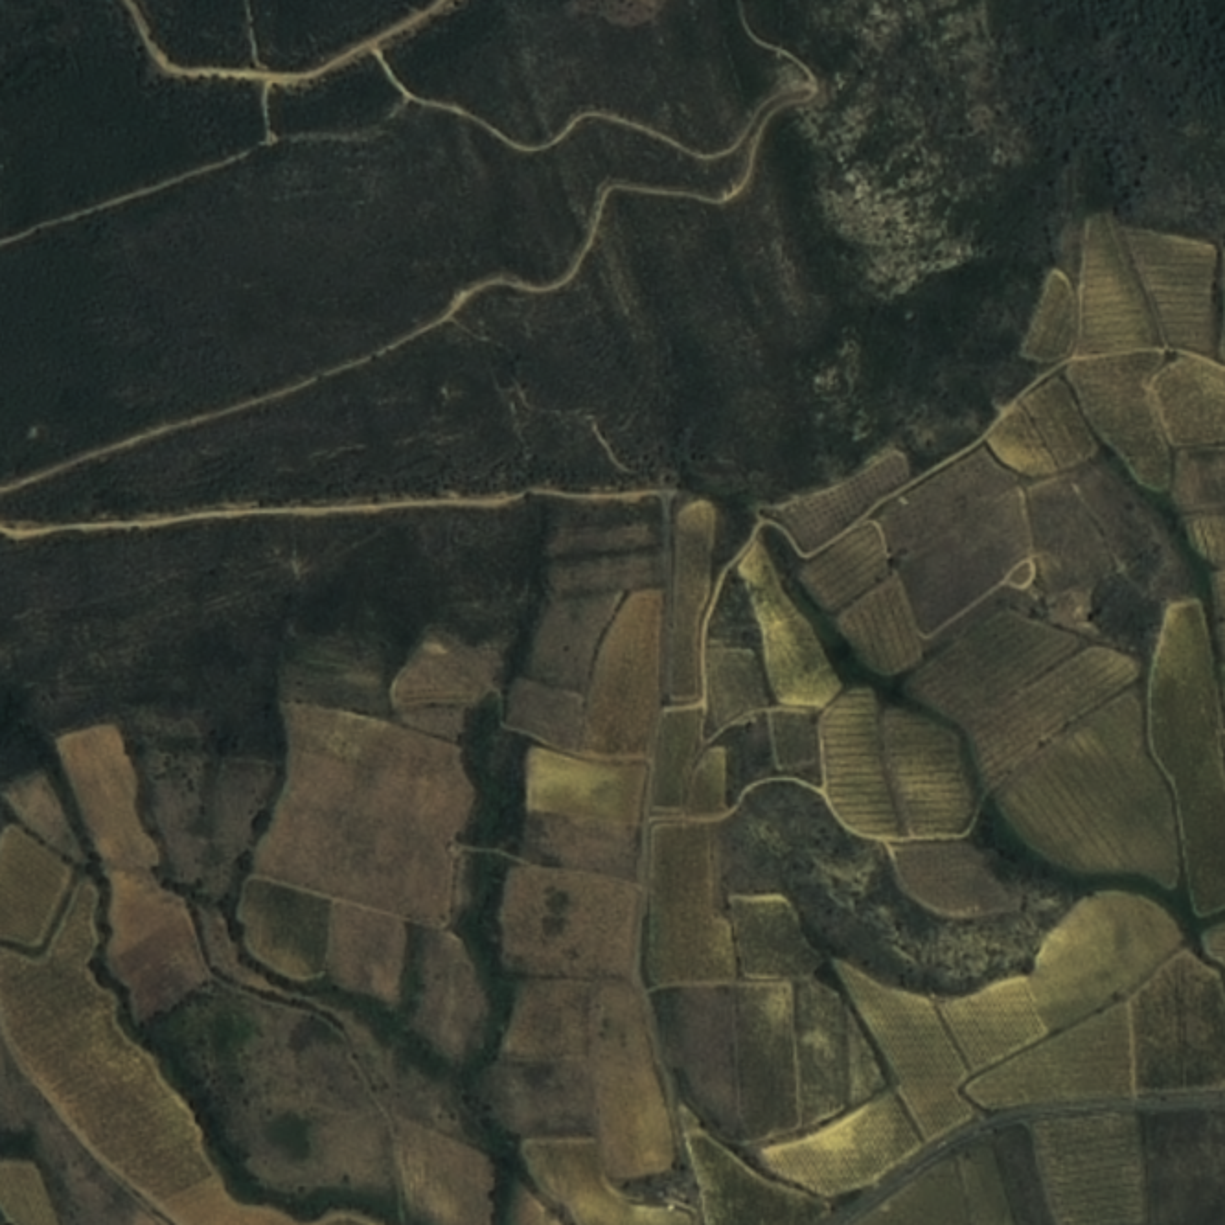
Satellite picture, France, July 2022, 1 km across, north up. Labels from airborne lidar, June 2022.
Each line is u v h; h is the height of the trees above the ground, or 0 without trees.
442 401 0
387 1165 0
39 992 0
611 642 0
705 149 0
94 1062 0
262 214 0
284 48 7
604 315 0
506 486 7
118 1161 0
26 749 7
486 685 0
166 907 0
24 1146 0
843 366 0
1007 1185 0
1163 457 0
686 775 0
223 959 0
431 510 0
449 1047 0
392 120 0
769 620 0
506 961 0
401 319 0
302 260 0
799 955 0
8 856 0
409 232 0
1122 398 0
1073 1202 0
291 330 0
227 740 7
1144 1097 0
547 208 0
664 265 0
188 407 5
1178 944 0
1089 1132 0
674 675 0
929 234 0
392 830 0
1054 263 11
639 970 0
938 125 10
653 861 0
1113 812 0
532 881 0
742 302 0
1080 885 5
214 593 0
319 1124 0
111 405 6
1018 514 0
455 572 0
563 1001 0
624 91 0
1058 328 0
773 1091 0
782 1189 0
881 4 0
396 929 0
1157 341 0
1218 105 8
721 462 0
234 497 7
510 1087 0
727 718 0
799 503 0
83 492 8
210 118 6
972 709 0
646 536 0
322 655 0
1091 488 0
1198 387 0
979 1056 0
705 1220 0
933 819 0
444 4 0
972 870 0
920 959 0
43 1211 0
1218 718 0
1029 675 0
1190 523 0
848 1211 0
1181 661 0
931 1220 0
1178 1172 0
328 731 0
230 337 0
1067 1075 0
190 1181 0
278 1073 0
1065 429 0
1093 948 0
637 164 0
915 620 0
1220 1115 0
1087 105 15
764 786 0
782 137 0
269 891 0
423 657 0
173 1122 0
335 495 8
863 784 0
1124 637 0
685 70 0
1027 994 0
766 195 0
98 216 6
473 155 0
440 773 0
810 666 0
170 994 0
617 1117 0
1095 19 12
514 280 0
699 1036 0
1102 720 0
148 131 5
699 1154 0
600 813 0
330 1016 6
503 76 0
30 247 6
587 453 0
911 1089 0
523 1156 0
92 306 7
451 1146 0
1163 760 0
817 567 0
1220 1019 0
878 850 0
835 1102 0
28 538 0
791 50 0
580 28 0
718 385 0
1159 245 0
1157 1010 0
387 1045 0
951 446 0
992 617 0
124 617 0
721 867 0
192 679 0
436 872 0
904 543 0
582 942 0
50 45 6
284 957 0
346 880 0
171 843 0
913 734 0
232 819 0
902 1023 0
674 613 0
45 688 0
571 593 0
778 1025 0
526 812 0
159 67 0
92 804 0
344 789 0
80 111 5
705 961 0
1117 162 14
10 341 5
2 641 0
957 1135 0
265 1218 0
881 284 0
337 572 0
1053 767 0
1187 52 15
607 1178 0
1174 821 0
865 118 0
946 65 0
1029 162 0
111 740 0
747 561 0
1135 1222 0
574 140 0
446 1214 0
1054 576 0
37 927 0
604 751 0
